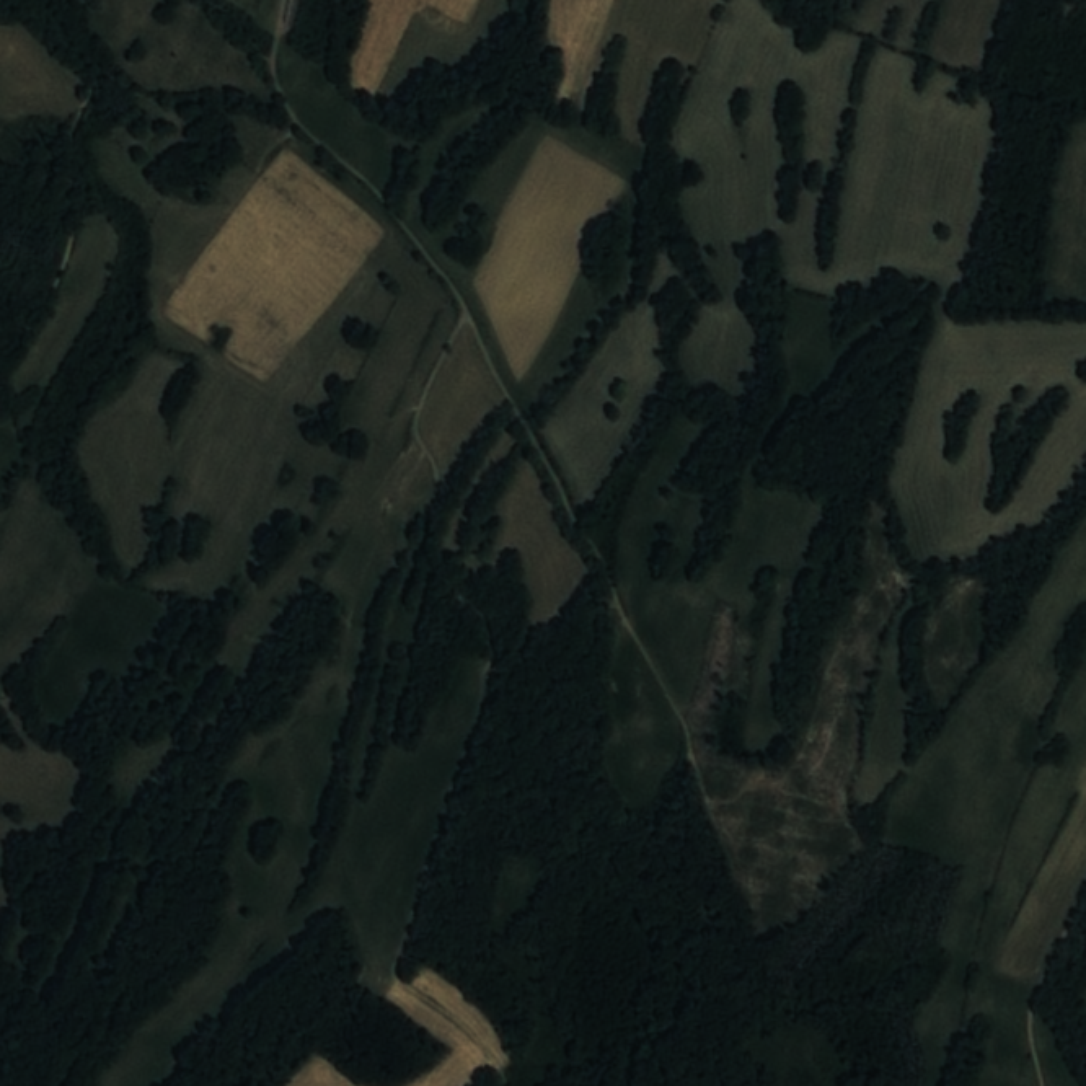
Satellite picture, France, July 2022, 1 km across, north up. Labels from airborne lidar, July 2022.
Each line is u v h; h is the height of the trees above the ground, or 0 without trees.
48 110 0
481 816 20
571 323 0
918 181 0
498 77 19
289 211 0
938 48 0
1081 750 0
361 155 0
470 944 17
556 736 16
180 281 0
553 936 13
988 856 0
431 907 16
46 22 9
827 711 0
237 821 11
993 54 15
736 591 0
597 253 21
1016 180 9
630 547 0
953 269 0
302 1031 19
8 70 0
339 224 0
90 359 10
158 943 19
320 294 0
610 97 15
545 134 0
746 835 0
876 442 16
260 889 0
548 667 16
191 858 14
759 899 0
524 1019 14
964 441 13
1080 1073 16
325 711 0
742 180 0
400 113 22
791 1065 0
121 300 6
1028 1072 0
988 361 0
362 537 0
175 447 0
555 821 17
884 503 17
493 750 19
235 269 0
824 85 0
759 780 0
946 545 0
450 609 14
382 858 0
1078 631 15
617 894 21
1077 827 0
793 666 16
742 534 0
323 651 18
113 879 22
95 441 0
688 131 0
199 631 22
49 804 0
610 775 17
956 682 0
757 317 17
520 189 0
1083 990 8
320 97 0
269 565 21
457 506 14
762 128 0
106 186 7
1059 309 15
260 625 0
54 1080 17
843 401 19
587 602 17
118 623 0
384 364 0
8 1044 19
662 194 19
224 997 0
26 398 9
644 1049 19
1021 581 16
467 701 0
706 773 0
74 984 22
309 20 10
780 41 0
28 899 18
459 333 0
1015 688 0
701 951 22
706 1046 20
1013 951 0
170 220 0
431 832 0
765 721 0
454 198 18
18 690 15
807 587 16
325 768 0
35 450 7
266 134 0
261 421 0
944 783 0
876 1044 12
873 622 0
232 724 19
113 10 0
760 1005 19
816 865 0
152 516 17
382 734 16
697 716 0
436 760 0
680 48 0
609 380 0
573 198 0
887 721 0
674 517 0
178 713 15
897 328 19
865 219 0
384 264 0
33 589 0
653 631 0
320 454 0
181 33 0
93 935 22
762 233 0
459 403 0
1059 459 0
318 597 18
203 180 15
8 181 12
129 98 14
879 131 0
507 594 14
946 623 0
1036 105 17
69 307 0
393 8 0
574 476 0
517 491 0
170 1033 0
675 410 17
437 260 0
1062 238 0
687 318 12
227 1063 20
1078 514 13
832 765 0
